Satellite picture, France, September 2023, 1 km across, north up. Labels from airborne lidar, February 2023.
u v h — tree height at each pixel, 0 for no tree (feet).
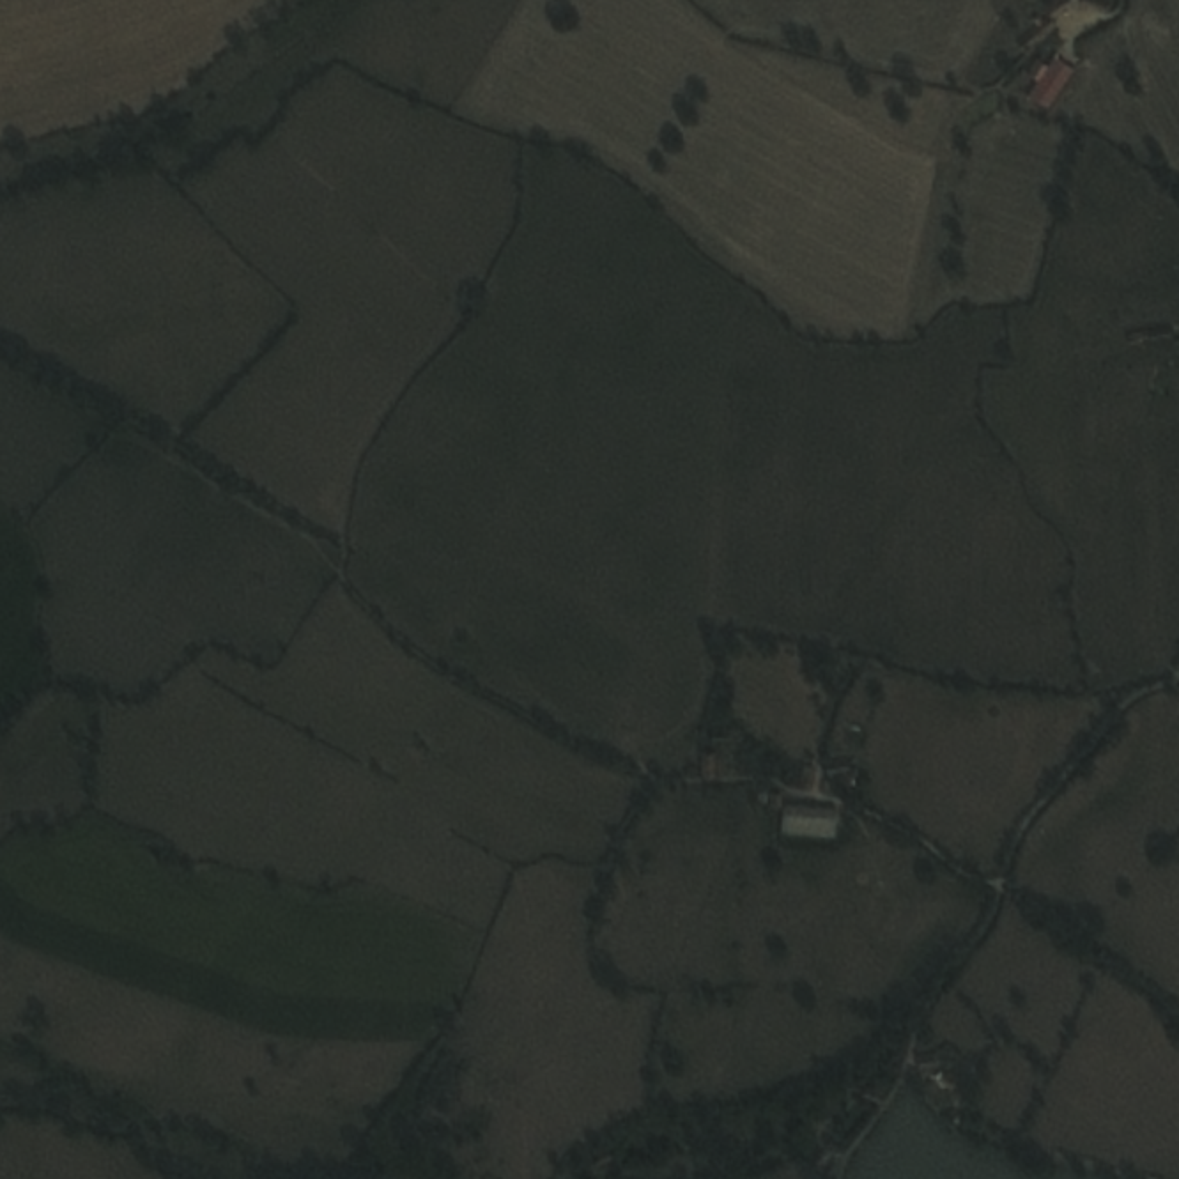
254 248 0
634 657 0
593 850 0
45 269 0
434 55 0
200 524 0
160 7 0
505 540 0
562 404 0
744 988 0
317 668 0
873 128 0
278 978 0
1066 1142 0
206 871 0
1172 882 0
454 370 0
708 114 0
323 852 0
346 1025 0
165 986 0
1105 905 0
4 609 0
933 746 0
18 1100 63
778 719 0
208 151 31
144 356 0
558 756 0
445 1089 20
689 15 0
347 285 0
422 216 0
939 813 0
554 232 0
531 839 0
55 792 0
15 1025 0
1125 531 0
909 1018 68
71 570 0
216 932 0
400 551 0
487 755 0
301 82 30
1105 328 0
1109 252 0
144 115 19
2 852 0
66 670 0
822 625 0
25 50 0
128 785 0
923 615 0
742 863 0
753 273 0
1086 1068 0
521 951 0
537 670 0
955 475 0
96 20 0
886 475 0
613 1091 0
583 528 0
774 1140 63
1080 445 0
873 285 0
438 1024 56
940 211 0
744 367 0
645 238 0
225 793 0
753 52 0
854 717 0
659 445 0
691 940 0
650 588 0
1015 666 0
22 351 61
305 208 0
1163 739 0
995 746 0
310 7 0
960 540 0
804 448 0
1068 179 42
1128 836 0
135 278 0
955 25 0
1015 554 0
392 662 0
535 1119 0
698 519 0
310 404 0
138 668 0
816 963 0
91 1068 0
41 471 0
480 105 0
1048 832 0
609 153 0
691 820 0
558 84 0
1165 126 0
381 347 0
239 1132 0
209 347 0
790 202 0
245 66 0
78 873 0
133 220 0
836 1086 35
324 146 0
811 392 0
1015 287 0
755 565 0
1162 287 0
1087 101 0
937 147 0
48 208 0
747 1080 0
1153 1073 0
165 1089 0
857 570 0
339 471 0
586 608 0
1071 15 0
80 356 0
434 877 0
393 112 0
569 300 0
